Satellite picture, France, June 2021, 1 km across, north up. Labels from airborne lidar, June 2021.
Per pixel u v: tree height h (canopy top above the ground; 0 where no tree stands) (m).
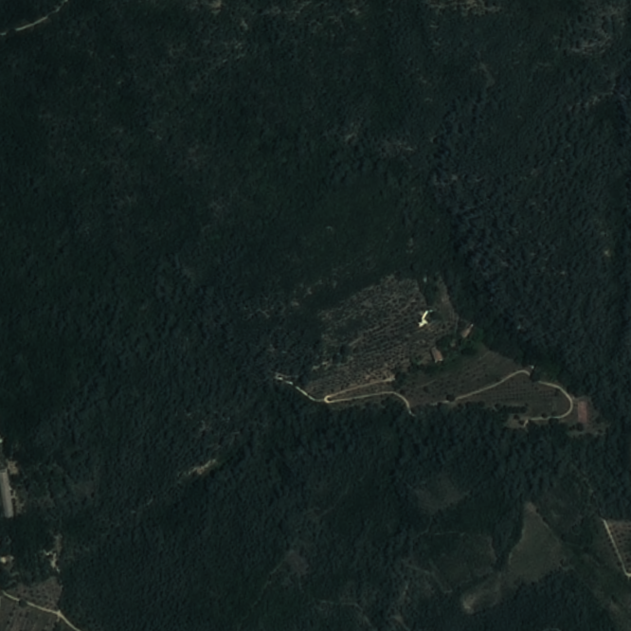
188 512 18
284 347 20
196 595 8
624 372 19
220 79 8
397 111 9
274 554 9
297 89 7
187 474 7
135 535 16
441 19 10
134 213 7
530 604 13
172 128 6
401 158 14
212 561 7
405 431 21
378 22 9
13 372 14
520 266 13
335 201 6
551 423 12
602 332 17
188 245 10
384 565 6
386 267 8
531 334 29
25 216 8
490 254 20
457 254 24
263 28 10
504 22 12
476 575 7
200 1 7
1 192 14
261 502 16
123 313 8
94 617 7
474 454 13
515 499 16
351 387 0
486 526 7
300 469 5
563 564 7
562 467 16
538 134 13
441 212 10
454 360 6
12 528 14
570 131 20
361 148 23
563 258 8
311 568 8
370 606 8
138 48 7
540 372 6
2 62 9
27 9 12
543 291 22
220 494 17
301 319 9
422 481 9
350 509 6
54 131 15
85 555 12
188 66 14
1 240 10
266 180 6
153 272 8
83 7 15
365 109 12
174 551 17
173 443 19
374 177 10
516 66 9
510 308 8
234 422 18
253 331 6
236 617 9
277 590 8
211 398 21
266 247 8
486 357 0
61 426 10
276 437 9
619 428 12
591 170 19
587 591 8
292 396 8
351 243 7
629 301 20
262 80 8
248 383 13
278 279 7
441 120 12
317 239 6
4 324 10
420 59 11
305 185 9
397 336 6
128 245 7
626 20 8
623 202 29
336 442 7
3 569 14
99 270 13
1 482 0
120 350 17
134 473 9
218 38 12
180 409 9
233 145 8
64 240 8
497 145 6
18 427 17
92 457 19
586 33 13
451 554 7
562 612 11
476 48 15
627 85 17
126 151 7
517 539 13
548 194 17
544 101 15
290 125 10
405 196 15
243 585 8
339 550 14
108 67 8
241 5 7
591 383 19
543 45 11
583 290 13
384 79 11
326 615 9
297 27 13
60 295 15
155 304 9
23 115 13
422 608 9
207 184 6
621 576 9
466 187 19
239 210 6
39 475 13
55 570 9
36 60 11
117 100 12
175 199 13
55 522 9
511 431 15
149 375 9
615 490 16
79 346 9
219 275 11
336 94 7
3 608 0
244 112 16
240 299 12
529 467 18
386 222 7
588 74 17
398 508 8
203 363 6
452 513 6
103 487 7
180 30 7
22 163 9
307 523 10
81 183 6
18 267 17
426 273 7
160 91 6
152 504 10
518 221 16
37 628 0
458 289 32
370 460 11
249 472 16
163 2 6
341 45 8
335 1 15
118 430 8
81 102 7
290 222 6
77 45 6
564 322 9
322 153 11
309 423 25
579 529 10
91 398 20
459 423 22
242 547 11
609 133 6
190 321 8
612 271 13
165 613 10
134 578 9
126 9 8
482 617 10
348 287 9
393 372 8
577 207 20
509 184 15
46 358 12
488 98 9
